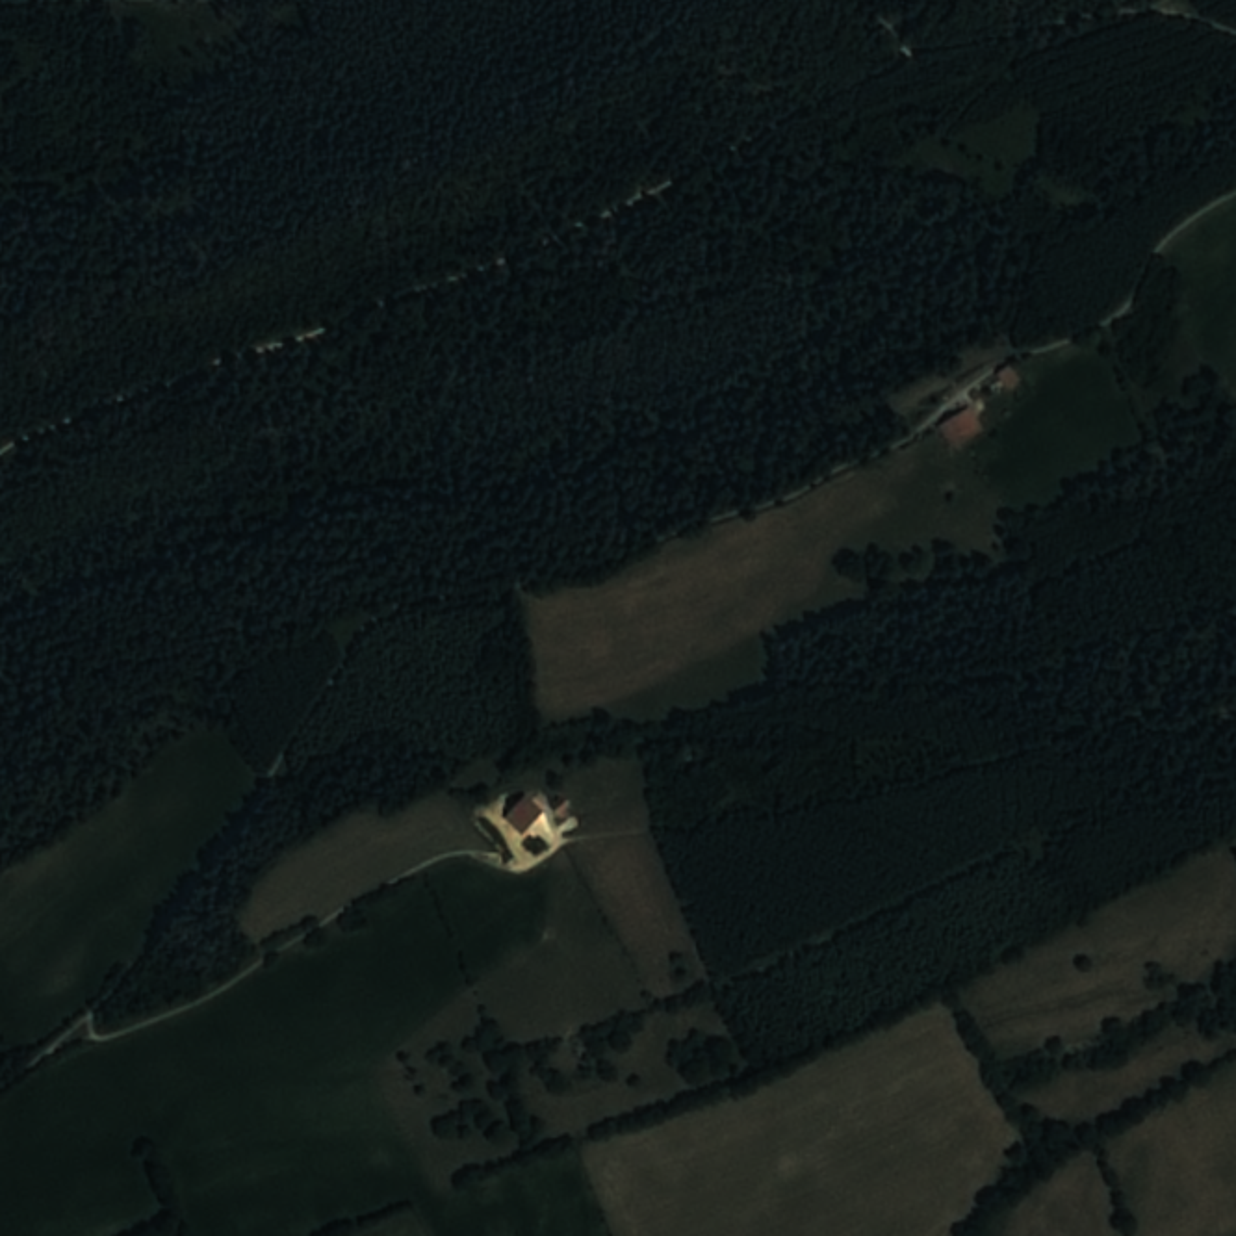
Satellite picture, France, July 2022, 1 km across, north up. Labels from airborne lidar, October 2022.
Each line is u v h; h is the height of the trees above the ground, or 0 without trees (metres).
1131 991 0
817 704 13
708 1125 0
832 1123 0
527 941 0
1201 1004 9
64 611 31
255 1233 0
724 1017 12
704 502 13
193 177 28
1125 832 17
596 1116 0
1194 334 0
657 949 0
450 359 24
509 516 31
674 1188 0
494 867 0
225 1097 0
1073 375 0
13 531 14
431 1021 0
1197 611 11
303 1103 0
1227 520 16
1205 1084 19
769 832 14
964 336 14
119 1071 0
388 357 8
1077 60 16
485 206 12
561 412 20
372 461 29
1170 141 15
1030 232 11
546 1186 0
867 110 19
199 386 31
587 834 0
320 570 25
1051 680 24
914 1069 0
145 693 27
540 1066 8
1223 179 14
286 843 22
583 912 0
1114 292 14
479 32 30
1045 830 9
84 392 17
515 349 15
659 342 12
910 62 17
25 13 7
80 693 31
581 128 13
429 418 14
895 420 34
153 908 0
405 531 35
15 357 20
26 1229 0
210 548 31
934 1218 0
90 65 13
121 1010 13
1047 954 0
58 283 33
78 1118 0
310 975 0
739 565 0
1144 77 6
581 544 30
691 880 15
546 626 0
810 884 14
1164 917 0
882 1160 0
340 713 13
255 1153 0
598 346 19
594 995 0
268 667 15
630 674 0
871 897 14
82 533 14
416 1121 0
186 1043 0
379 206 12
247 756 17
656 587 0
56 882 0
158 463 11
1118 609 15
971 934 15
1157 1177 0
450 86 22
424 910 0
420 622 14
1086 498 26
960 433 0
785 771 13
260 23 26
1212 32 12
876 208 24
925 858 12
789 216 18
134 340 15
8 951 0
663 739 8
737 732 15
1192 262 0
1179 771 21
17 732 29
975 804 14
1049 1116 0
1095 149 10
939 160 0
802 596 0
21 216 22
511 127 23
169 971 12
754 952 11
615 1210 0
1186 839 15
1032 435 0
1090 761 16
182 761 0
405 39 27
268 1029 0
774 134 26
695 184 21
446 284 12
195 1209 0
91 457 22
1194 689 26
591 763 11
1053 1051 13
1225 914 0
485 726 15
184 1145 0
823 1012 15
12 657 14
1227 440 28
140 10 0
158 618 34
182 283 21
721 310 23
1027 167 7
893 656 20
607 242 36
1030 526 16
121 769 12
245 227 23
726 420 34
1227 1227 0
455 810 0
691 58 15
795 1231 0
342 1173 0
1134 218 16
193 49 0
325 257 10
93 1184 0
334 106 27
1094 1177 0
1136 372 9
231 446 16
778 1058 8
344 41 29
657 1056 0
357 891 0
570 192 28
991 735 13
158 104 14
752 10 13
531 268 16
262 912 0
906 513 0
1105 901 12
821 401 29
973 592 29
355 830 0
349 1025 0
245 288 11
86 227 30
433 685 15
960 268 43
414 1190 0
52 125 11
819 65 17
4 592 18
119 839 0
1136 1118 21
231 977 9
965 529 0
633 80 11
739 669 0
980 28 10
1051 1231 0
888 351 9
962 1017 13
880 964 17
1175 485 34
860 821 15
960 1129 0
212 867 26
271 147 24
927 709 12
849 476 0
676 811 13
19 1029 0
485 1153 0
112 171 6
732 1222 0
